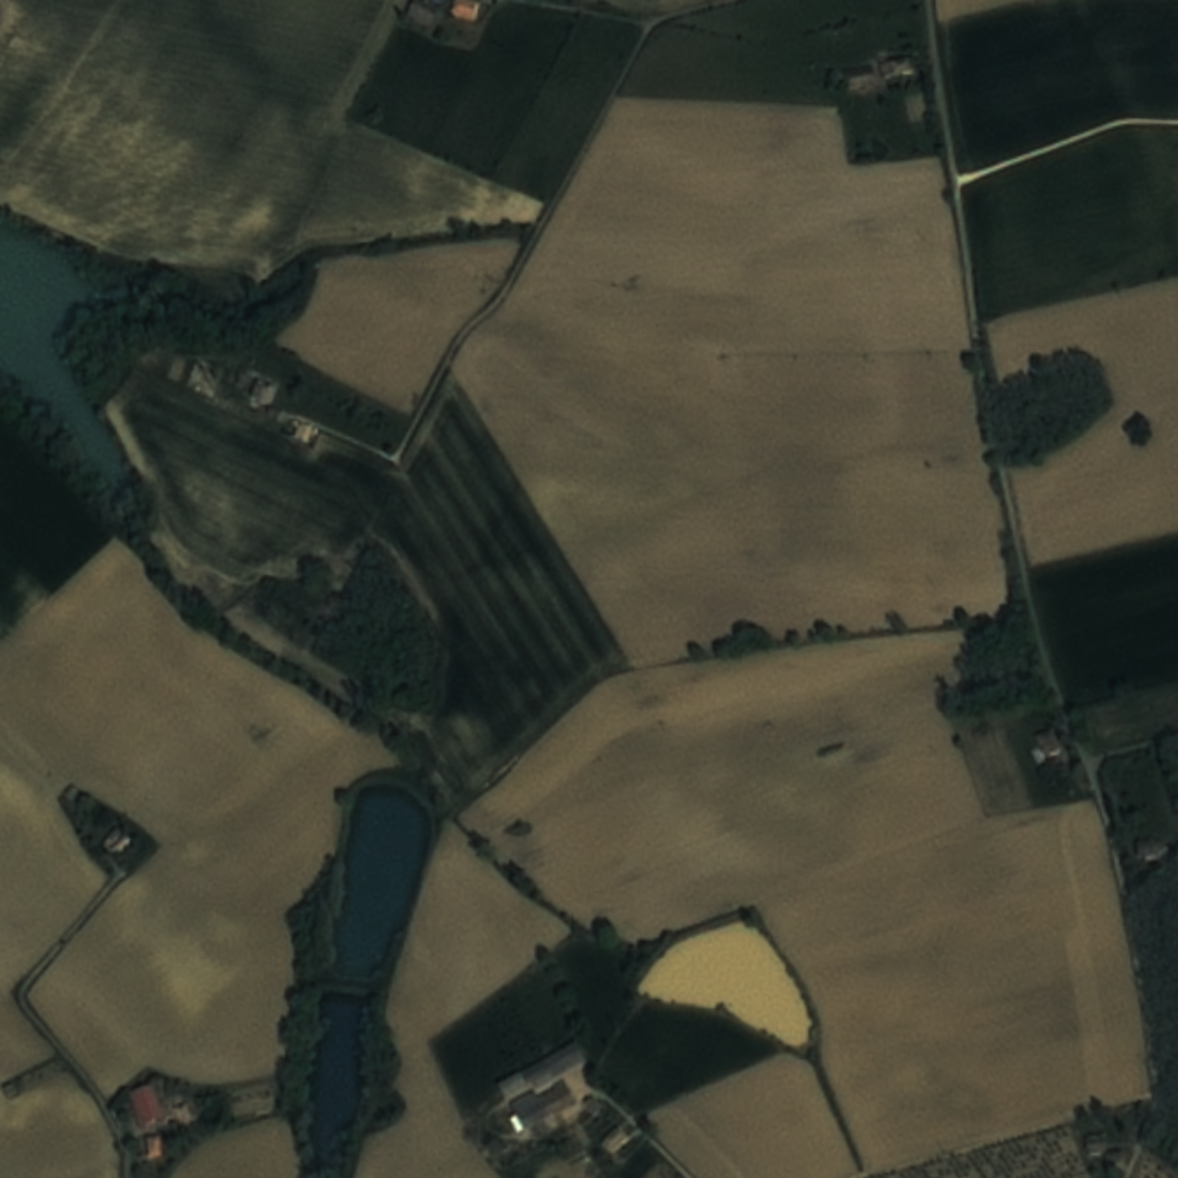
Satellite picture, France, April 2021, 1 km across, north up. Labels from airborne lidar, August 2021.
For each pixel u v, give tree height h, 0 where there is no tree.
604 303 0
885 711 0
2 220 17
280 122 0
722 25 0
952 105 0
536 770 0
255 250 0
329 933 27
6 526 0
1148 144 0
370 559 20
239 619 0
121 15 0
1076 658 0
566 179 0
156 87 0
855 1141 0
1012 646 22
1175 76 0
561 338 0
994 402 16
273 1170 0
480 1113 0
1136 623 0
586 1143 0
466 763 0
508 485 0
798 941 0
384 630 16
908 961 0
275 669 20
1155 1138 19
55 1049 0
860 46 0
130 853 7
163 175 0
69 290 0
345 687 0
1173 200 0
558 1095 0
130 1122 10
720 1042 0
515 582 0
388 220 0
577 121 0
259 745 0
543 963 11
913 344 0
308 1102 11
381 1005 11
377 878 0
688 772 0
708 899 0
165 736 0
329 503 0
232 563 0
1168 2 0
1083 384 19
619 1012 0
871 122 0
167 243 0
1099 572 0
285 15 0
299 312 14
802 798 0
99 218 0
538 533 0
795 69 0
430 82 0
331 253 0
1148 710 0
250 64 0
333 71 0
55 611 0
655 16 0
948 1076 0
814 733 0
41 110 0
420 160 0
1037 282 0
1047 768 8
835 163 0
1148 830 0
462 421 0
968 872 0
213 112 0
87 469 17
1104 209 0
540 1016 0
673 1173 0
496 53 0
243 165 0
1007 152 0
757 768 0
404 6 0
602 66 0
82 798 8
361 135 0
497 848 14
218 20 0
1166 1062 15
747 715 0
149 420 0
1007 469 12
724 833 0
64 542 0
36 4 0
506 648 0
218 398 0
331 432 0
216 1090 6
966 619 16
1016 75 0
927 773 0
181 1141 12
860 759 0
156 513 13
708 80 0
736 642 11
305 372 0
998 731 0
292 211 0
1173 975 18
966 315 0
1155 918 18
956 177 0
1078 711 13
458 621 0
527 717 0
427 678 13
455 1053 0
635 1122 0
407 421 0
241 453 0
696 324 0
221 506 0
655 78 0
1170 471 0
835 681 0
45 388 0
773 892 0
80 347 20
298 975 9
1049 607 0
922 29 0
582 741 0
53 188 0
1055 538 0
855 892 0
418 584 0
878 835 0
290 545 0
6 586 0
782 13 0
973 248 0
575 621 0
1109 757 8
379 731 17
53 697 0
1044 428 19
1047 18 0
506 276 0
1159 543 0
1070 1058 0
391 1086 17
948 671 0
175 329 23
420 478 0
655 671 0
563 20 0
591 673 0
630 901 0
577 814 0
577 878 0
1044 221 0
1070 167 0
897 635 15
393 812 0
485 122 0
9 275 0
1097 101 0
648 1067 0
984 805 0
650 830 0
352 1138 14
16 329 0
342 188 0
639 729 0
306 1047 22
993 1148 6
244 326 16
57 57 0
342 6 0
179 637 0
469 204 0
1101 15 0
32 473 0
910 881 0
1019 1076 0
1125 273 0
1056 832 0
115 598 0
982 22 0
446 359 0
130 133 0
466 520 0
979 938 0
